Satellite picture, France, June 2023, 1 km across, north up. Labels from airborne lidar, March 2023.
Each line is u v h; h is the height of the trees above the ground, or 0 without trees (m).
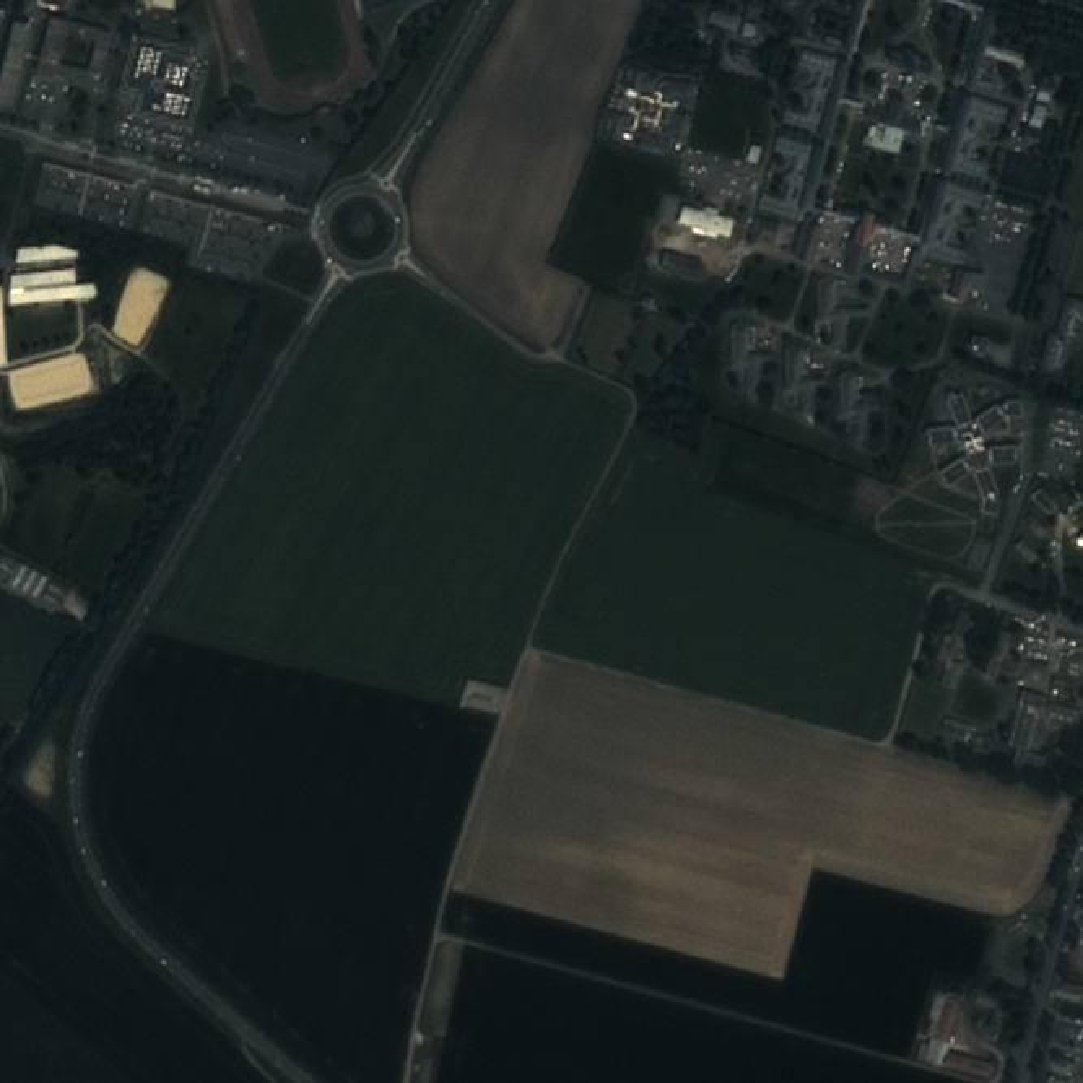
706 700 0
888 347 0
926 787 0
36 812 0
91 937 0
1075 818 10
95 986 0
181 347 0
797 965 0
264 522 0
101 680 0
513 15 0
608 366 0
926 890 0
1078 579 10
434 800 0
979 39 0
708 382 0
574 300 0
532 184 0
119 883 0
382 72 0
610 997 0
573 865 0
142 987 0
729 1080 0
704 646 0
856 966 0
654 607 0
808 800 0
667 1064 0
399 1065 0
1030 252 11
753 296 0
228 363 10
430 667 0
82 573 0
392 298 0
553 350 0
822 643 0
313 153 0
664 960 0
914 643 0
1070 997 0
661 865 0
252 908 0
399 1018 0
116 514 0
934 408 0
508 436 0
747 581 0
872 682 0
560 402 0
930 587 0
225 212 0
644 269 0
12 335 0
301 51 0
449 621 0
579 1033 0
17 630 0
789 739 0
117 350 0
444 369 0
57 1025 0
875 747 0
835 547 0
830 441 0
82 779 0
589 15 0
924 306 18
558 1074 0
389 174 0
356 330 0
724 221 0
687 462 0
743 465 0
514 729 0
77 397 0
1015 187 10
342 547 0
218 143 0
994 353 0
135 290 0
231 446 0
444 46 0
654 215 0
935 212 0
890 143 0
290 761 0
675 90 0
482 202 0
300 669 0
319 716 0
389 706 0
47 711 15
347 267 0
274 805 0
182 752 0
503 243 0
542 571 0
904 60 0
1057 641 0
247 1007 0
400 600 0
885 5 0
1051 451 0
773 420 0
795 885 0
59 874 0
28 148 0
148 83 0
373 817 0
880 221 0
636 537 0
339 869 0
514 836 0
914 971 0
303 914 0
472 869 0
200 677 0
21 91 0
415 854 0
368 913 0
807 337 0
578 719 0
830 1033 0
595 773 0
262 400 0
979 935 0
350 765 0
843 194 0
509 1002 0
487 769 0
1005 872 0
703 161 0
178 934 0
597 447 0
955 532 0
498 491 0
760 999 0
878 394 12
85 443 14
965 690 0
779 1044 0
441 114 0
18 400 0
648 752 0
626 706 0
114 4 12
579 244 0
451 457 0
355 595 0
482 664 0
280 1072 0
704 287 0
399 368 0
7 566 0
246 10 0
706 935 0
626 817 0
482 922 0
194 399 0
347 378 0
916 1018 0
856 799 0
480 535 0
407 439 0
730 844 0
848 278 0
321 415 0
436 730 0
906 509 0
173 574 0
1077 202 0
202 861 0
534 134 0
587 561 0
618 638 0
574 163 0
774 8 12
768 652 0
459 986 0
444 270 0
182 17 0
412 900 0
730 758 0
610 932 0
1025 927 0
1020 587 13
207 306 0
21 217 0
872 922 0
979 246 0
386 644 0
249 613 0
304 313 0
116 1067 0
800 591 0
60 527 0
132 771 0
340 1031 0
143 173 0
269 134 0
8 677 0
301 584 0
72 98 11
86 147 0
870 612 0
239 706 0
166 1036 0
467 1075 0
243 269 0
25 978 0
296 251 0
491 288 0
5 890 0
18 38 0
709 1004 0
